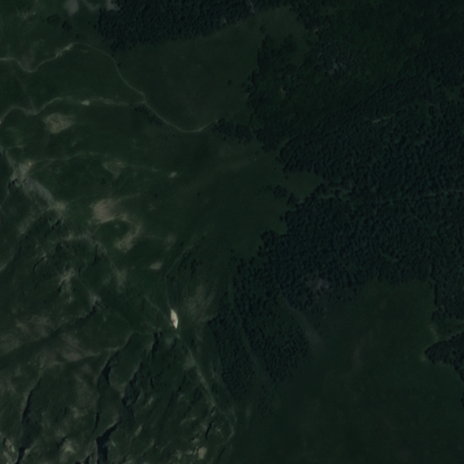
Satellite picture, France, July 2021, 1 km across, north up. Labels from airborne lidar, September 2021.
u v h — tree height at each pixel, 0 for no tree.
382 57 17
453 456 0
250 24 0
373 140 16
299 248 18
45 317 0
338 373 0
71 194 0
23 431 0
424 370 0
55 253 6
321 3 9
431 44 15
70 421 0
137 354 0
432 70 15
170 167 0
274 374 10
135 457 0
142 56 0
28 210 0
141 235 0
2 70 0
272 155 0
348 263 11
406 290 0
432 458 0
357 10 11
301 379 0
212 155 0
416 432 0
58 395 0
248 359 13
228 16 16
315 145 18
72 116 0
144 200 0
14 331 0
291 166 13
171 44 0
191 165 0
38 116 0
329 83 12
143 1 17
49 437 0
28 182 0
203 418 0
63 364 0
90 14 0
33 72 0
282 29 0
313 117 18
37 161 0
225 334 11
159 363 0
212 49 0
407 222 15
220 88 0
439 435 0
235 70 0
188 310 0
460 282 13
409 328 0
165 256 0
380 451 0
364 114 23
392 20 8
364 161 14
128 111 0
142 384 9
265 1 18
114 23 16
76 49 0
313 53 9
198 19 18
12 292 0
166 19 19
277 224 0
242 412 0
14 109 0
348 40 27
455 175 13
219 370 0
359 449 0
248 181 0
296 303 13
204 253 0
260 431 0
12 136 0
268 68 20
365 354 0
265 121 11
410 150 24
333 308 0
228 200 0
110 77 0
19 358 0
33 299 0
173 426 0
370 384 0
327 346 0
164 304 0
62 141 0
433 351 20
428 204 18
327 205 22
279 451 0
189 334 0
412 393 0
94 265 6
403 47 12
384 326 0
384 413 0
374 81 16
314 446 0
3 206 0
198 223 0
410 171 23
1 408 0
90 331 0
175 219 0
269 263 8
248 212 0
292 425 0
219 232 0
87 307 0
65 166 0
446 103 11
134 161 0
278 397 0
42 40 0
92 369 0
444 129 12
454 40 26
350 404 0
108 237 0
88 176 0
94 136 0
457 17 20
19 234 0
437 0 18
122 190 0
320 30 13
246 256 0
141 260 0
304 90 15
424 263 20
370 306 0
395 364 0
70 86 0
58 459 0
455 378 0
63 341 0
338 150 26
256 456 0
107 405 0
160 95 0
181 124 0
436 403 0
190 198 0
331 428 0
